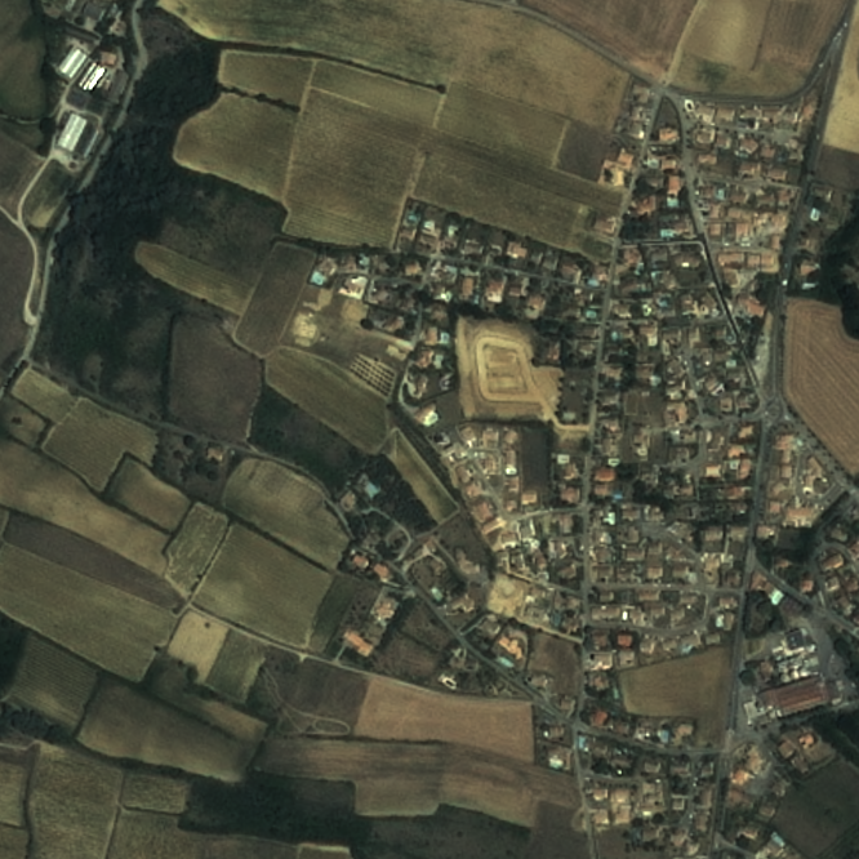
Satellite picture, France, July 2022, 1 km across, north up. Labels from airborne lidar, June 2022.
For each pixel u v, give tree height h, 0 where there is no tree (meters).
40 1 10
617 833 0
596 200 0
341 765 0
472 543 0
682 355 0
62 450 0
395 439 0
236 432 0
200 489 0
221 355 0
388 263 9
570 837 0
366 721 0
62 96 0
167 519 0
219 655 0
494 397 0
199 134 0
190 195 7
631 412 0
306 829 6
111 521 0
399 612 7
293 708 0
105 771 0
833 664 0
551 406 0
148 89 6
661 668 0
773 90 0
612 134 0
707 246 0
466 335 0
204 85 7
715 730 0
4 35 0
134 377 0
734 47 0
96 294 9
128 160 16
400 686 0
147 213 10
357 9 0
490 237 0
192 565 0
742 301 0
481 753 0
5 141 0
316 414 0
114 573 0
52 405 0
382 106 0
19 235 0
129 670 0
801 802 0
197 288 0
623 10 0
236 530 0
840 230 8
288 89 0
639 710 0
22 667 0
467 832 0
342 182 0
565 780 0
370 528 11
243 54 0
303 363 0
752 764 0
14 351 0
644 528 0
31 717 14
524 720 0
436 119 0
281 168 0
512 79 0
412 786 0
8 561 0
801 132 0
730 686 0
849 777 0
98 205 15
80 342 6
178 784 0
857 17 0
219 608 0
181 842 0
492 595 0
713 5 0
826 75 0
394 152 0
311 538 0
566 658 0
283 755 0
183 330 0
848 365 0
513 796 0
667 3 0
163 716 0
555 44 0
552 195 0
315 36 0
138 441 0
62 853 0
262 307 0
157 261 0
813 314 0
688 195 12
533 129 0
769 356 0
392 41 0
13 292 0
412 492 8
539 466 0
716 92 0
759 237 0
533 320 8
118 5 6
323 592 0
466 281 0
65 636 0
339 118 0
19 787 0
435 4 0
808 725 10
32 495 0
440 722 0
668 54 0
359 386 0
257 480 0
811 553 10
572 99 0
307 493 0
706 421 0
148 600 0
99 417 0
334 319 0
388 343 0
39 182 0
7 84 0
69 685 0
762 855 0
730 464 0
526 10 0
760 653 0
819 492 0
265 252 0
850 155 0
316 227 0
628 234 13
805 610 8
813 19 0
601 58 0
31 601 0
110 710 0
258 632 0
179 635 0
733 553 0
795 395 0
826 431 0
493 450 0
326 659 0
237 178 0
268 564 0
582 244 0
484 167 0
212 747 0
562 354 9
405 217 0
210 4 0
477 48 0
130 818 0
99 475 0
